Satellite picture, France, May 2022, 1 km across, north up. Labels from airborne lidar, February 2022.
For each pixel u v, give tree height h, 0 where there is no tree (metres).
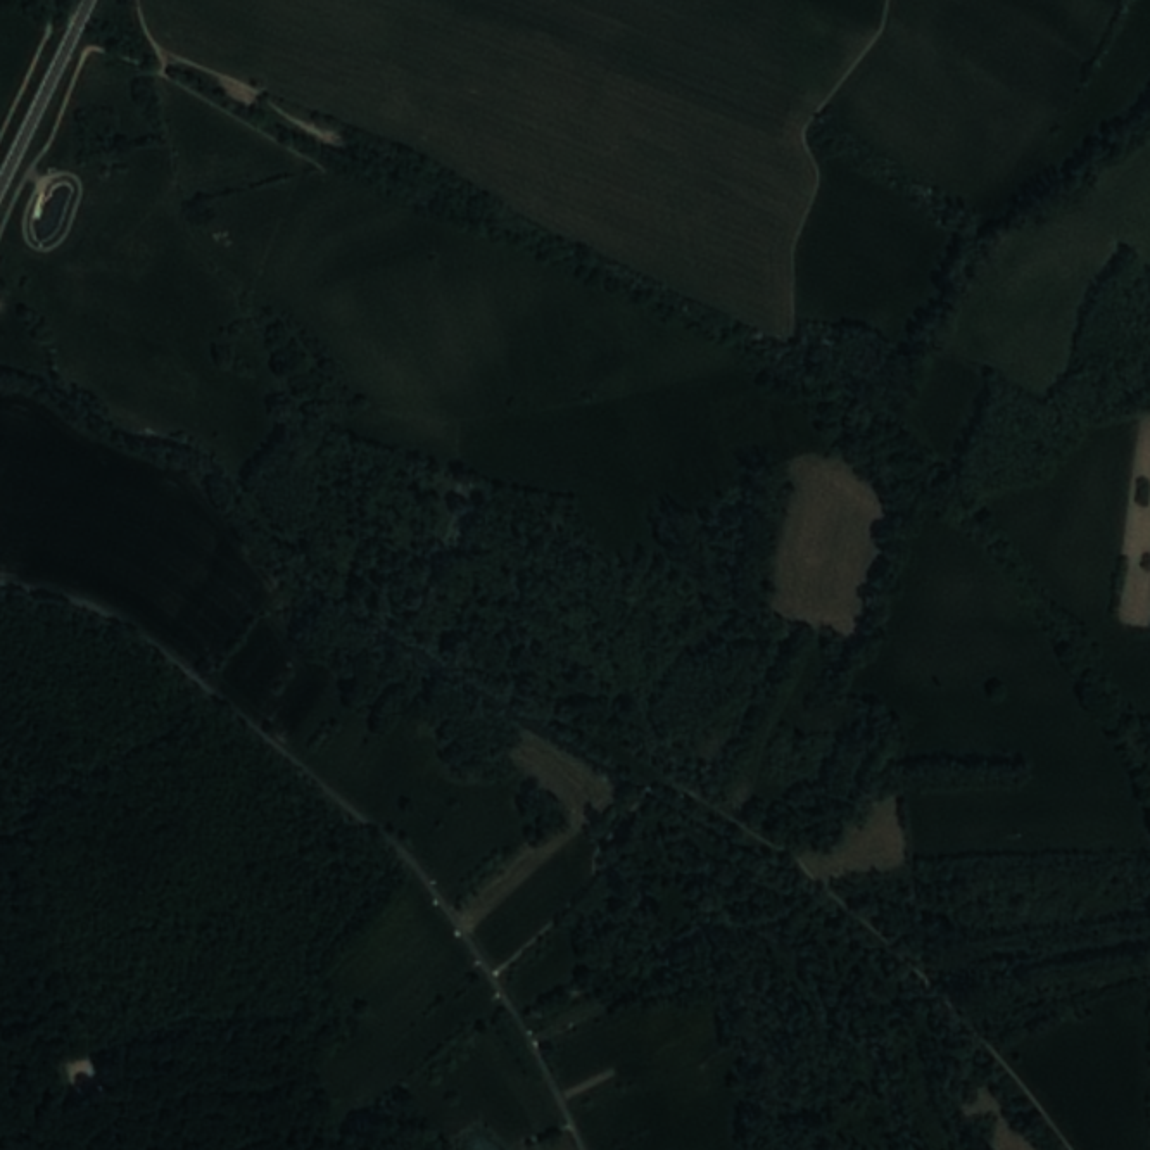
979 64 0
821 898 15
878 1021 25
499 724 20
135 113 0
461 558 21
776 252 0
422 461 16
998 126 0
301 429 11
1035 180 0
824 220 0
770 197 0
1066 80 0
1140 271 19
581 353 0
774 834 17
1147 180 0
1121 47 0
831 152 5
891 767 17
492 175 0
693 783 16
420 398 0
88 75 0
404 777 0
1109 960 16
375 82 0
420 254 0
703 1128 0
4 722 18
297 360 17
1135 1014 0
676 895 0
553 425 0
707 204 0
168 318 0
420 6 0
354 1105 0
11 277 0
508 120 0
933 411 0
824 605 0
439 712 22
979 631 0
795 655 19
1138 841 0
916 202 11
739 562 31
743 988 28
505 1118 0
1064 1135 0
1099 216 0
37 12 10
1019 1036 16
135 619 0
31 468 0
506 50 0
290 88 0
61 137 0
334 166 13
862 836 0
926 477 10
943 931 25
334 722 8
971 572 0
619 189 0
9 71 0
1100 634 0
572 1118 0
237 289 0
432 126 0
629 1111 0
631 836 20
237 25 0
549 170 0
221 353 10
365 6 0
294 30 0
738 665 22
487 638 21
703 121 0
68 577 0
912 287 0
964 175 0
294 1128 21
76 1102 27
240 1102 26
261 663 0
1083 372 13
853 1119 0
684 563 27
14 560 0
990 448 20
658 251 0
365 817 0
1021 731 0
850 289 0
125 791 21
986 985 18
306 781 15
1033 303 0
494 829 0
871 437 21
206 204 7
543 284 0
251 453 0
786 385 19
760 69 0
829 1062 20
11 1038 31
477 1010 0
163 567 0
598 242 0
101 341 0
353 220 0
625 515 0
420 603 31
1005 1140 0
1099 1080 0
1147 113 15
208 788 10
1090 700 20
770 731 0
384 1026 0
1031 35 0
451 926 0
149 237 0
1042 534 0
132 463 0
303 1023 20
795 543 0
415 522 13
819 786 16
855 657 18
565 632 15
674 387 0
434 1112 0
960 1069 21
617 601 21
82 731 18
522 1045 0
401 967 0
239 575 0
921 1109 0
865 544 0
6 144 0
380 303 0
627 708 23
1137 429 0
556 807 15
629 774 11
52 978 28
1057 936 12
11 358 0
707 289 0
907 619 0
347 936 19
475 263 0
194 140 0
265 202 0
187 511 0
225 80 0
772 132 0
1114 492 0
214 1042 24
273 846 12
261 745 12
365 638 20
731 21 0
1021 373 0
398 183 19
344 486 19
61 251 0
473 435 0
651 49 0
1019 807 0
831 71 0
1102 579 0
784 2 0
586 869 0
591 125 0
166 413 0
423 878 0
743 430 0
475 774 18
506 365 0
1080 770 0
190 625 0
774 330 0
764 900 17
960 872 12
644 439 0
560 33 0
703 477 0
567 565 22
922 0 0
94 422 15
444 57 0
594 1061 0
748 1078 27
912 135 0
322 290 0
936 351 22
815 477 0
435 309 0
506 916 0
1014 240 0
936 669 0
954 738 0
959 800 0
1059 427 21
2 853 25
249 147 0
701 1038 0
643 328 0
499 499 8
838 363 16
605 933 25
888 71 0
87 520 0
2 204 0
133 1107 26
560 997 14
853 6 0
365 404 8
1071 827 0
